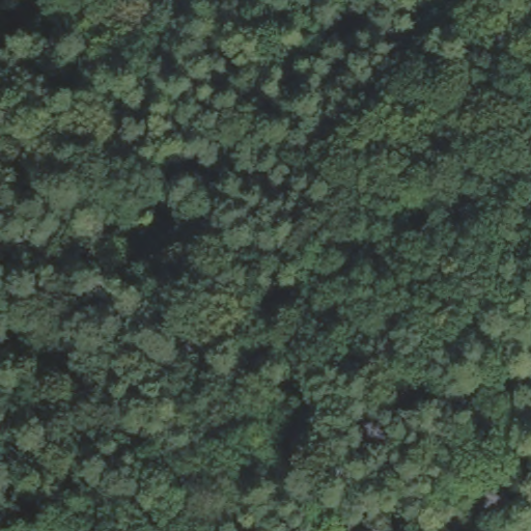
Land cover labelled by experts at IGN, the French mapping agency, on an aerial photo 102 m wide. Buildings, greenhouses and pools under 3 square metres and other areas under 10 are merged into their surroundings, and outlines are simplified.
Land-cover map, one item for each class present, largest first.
<instances>
[{"label":"coniferous trees","instance_id":"1","mask_svg":"<svg viewBox=\"0 0 531 531\"><path fill-rule=\"evenodd\" d=\"M527 31H531V0H0V282L10 274L23 276V272L52 266L56 274L75 276V292L79 295L60 313V342L56 348L31 346V338L27 332L8 330L6 338H0V531H33V523L48 506L66 510L68 506H73L77 510L75 519H83L93 525L118 523L120 516H127L131 521L145 519L147 525L158 521L164 527L183 508L185 496L193 498L197 492H205L207 487L218 483L216 475L201 471L189 475L176 473V460L183 463L189 456H195L197 448L207 444L205 436L195 444L189 442V436L183 434V425H191V415L195 411H205L209 402L205 396H201L205 388L201 380L203 371H209L214 367L220 373L230 371L228 394L241 390L243 380L249 373L236 363L239 348L226 342V334L214 336L205 344H193L185 340L180 334L168 332L164 326V317L168 309L189 303L195 295H222L228 286L245 284V272L261 274V261L266 257L278 259L276 270L270 274V286H280V274L288 263H292L290 255L284 249H280L284 236L290 230V224L303 220L305 209L322 212L324 207L322 199H311V189L317 176L322 174L324 162L330 158L328 137L336 133V129L351 124L353 118H363L365 112L382 104V100L390 93L394 77L404 71L407 62H425V68L429 73L440 77L442 66L452 64L450 58L465 56V50L473 56H487L490 66L483 73V81H477L469 87L473 95H479L483 91H490L498 83L500 56H504L510 50V44L521 41ZM89 143L93 145V149H104V164L110 183H129L133 174H141L145 170H160L164 176V199L156 205L141 207L135 216V226L129 230L120 228L118 224H102L97 220V214H93V209L89 207V201L81 199L77 185L66 174L71 170V162L56 158L58 151L66 145L83 147ZM83 402H89L91 407L118 409L120 415H124V425H93L85 431L75 429L71 440H54L50 436V421L62 419L64 415L77 411ZM481 330L492 338L498 336L500 340H521L519 363H510V375H531V282H525L521 299L512 295L510 301L496 303V309L487 311L481 322ZM396 348L394 361L375 359L367 363L361 371H357V378L351 386L344 384V373H338L332 367L326 369L324 375H315L305 382V386L301 388L305 400H315V411L311 417L313 429L309 431V444L301 446L297 454H292V471L282 481H268L251 490L245 496V504H249V514L239 519L234 512L222 510L220 516L214 519L212 531H317L324 527L326 519H340L342 523L348 516L355 525L361 523L369 531H438L450 519H454L456 508L446 506L442 512H438L436 508H427V500L423 494L429 492V485H438L444 477H456L463 469L471 467L473 460H494L498 467L506 469L508 454L519 463L523 456H531V436L527 431H521L519 425H514L510 431V440H477L469 411H440L436 400H429L415 411H398V415L394 417L390 413L378 411L380 404L396 400L398 382H407L411 386L421 384L436 394H446L448 388L456 384V371L452 369L454 363L448 359L444 351H429L427 344H421V334H417V326H411L407 330L398 328L392 332ZM514 404L519 409L531 407V388H519L514 392ZM521 494L525 496L512 506V510L504 508L500 512L504 521H508L506 531H531V481H527L521 487Z\"/></svg>","mask_w":531,"mask_h":531},{"label":"deciduous trees","instance_id":"2","mask_svg":"<svg viewBox=\"0 0 531 531\"><path fill-rule=\"evenodd\" d=\"M452 64L442 66L440 77L429 73L425 68V62H407L404 71L394 77L390 93L382 100V104L365 112L363 118H353L351 124L336 129V133L328 137L330 158L324 162L322 174L317 176L311 189V199H322L324 207L322 212L305 209L303 220L290 224V230L284 236L280 249H284L290 255L292 263H288L280 274V286H270V274L276 270L278 259L266 257L261 261V274L245 272V284L228 286L222 295H195L189 303L168 309L164 317V326L168 332L180 334L185 340L193 344H205L214 336L226 334V342L239 348L236 363L249 373L243 380L241 390L228 394L230 371L220 373L214 367L209 371H203L201 380L205 388L201 396H205L209 402L205 411H195L191 415V425H183V434L189 436V442L195 444L205 436L207 444L197 448L195 456H189L183 463L176 460V473L189 475L201 471L216 475L218 483L207 487L205 492H197L193 498L185 496L183 508L164 527L158 521L147 525L145 519L131 521L127 516H120L118 523L93 525L83 519H75L77 510L73 506H68L66 510L48 506L33 523V531H212L214 519L220 516L222 510L234 512L239 519L249 514V504H245V496L251 490L268 481H282L292 471V454H297L301 446L309 444V431L313 429L311 417L315 411V400H305L301 388L305 386V382L315 375H324L326 369L332 367L338 373H344V384L351 386L357 378V371H361L367 363L375 359L394 361L396 348L392 332L398 328L407 330L411 326H417V334H421V344H427L429 351H444L448 359L454 363L452 369L456 371V384L448 388L446 394H436L421 384L411 386L407 382H398L396 400L380 404L378 411L390 413L394 417L398 415V411H415L429 400H436L440 411H469L477 440H510V431L514 425H519L521 431H527L531 436V407L519 409L514 404V392L519 388H531V375H510V363H519L521 340H500L498 336L492 338L481 330V322L487 311L496 309V303L510 301L512 295L521 299L525 282H531V31H527L521 41L510 44V50L504 56H500L498 83L490 91H483L479 95H473L469 87L477 81H483V73L490 66L487 56H473L465 50V56L450 58ZM56 158L71 162V170L66 174L77 185L81 199L89 201V207L93 209V214H97V220L102 224H118L120 228L129 230L135 226V216L141 207L156 205L164 199V176L160 170H145L141 174H133L129 183H110L104 164V149H93V145L89 143L83 147L66 145L58 151ZM79 295L75 292V276L56 274L52 266L23 272V276L10 274L0 282V338H6L8 330L27 332L31 338V346L56 348L60 342V313ZM93 425H124V415H120L118 409L91 407L89 402H83L77 411L64 415L62 419L50 421V436L54 440H71L75 429L85 431ZM527 481H531V456H523L519 463L508 454L506 469L498 467L494 460H473L471 467L463 469L456 477H444L438 485H429V492L423 494L427 500V508H436L438 512H442L446 506L456 508L454 519H450L438 531H506L508 521H504L500 512L504 508L512 510V506L525 496L521 494V487ZM317 531H369L361 523L355 525L348 516L342 523L340 519H326L324 527Z\"/></svg>","mask_w":531,"mask_h":531}]
</instances>
